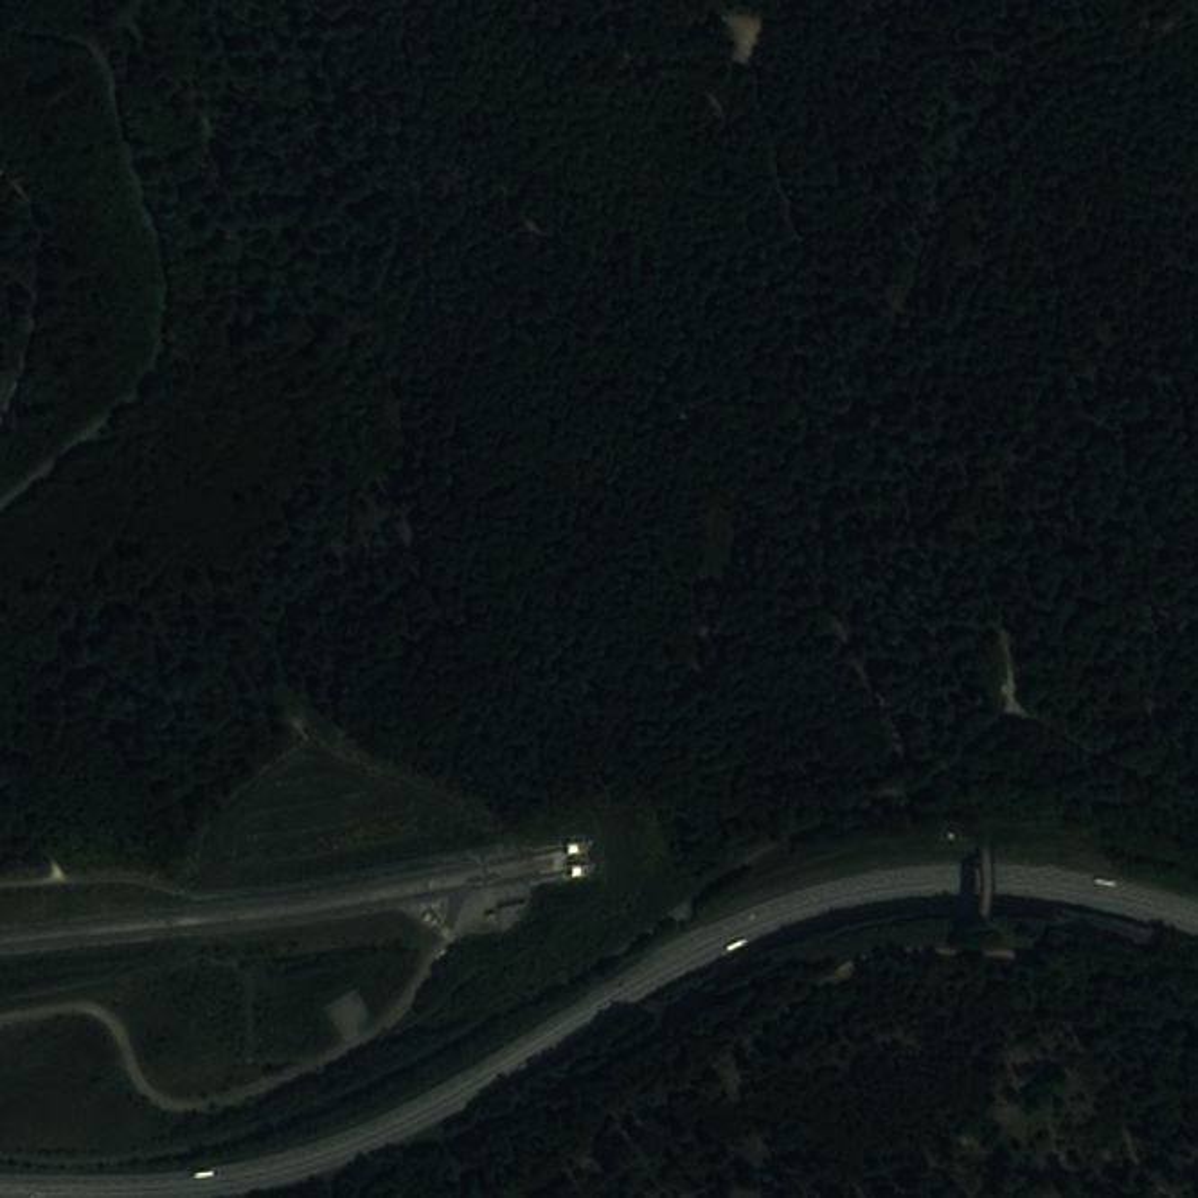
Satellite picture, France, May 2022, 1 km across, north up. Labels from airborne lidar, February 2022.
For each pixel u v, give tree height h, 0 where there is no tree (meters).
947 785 18
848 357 24
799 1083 7
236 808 0
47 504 13
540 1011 15
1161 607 27
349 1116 16
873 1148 13
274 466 19
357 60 35
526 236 31
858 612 27
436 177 31
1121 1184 32
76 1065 0
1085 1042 30
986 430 11
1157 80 7
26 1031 0
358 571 22
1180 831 27
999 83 0
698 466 25
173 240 25
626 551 23
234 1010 0
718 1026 23
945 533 17
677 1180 6
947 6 32
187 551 11
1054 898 0
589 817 0
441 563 27
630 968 0
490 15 25
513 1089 15
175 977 0
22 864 13
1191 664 25
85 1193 0
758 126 26
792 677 30
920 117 26
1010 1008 7
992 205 30
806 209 27
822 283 28
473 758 29
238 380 9
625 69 25
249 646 30
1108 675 23
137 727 36
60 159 17
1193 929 0
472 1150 27
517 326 29
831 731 28
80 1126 0
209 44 30
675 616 26
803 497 25
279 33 17
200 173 8
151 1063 0
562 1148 23
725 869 0
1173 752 24
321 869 0
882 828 23
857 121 27
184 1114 0
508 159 22
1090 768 8
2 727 18
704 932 0
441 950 0
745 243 24
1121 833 23
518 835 0
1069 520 30
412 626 24
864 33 29
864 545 24
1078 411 10
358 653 26
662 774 31
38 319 12
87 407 9
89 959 0
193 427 14
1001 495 7
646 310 29
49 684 19
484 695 26
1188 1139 36
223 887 0
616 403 27
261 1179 0
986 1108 8
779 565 28
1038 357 15
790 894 0
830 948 0
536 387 28
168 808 29
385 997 0
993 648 13
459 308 26
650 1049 25
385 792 0
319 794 0
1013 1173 34
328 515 28
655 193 26
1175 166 15
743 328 27
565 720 27
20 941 0
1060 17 30
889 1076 12
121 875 0
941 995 14
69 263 33
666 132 28
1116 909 0
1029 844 0
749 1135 10
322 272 37
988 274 10
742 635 26
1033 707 7
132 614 26
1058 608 28
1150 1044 32
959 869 0
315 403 20
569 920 0
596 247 29
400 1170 17
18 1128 0
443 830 0
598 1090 27
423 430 24
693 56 25
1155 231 8
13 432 14
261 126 40
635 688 23
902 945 0
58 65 9
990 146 14
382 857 0
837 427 27
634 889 0
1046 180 9
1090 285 14
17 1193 0
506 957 0
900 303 0
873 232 19
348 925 0
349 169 14
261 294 38
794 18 23
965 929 14
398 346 27
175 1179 0
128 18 0
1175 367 26
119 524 10
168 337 15
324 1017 0
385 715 27
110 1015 0
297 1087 9
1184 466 29
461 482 26
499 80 27
